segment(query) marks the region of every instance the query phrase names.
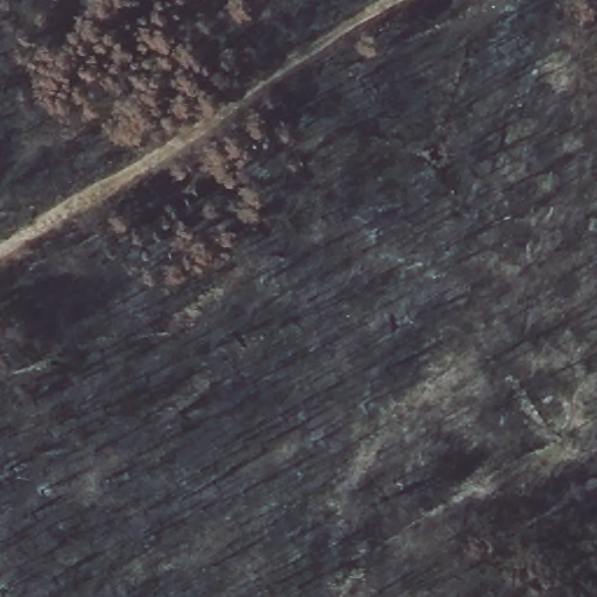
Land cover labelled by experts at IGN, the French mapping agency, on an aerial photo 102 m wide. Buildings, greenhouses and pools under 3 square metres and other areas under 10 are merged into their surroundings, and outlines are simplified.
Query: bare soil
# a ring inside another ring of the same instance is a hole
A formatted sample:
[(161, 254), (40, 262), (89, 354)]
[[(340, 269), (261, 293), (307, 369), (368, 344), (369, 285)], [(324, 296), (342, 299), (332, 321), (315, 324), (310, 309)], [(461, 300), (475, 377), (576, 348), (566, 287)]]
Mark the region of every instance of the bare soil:
[(131, 166), (138, 159), (131, 147), (112, 142), (103, 135), (100, 126), (93, 126), (91, 121), (82, 126), (56, 126), (49, 112), (44, 117), (26, 117), (19, 107), (12, 105), (7, 89), (0, 79), (0, 243), (12, 238), (23, 226), (35, 224), (40, 215), (58, 205), (61, 201), (70, 198), (72, 194), (86, 189), (89, 184), (103, 177), (114, 175), (117, 170)]
[(271, 233), (257, 243), (252, 257), (210, 266), (201, 275), (184, 280), (152, 282), (126, 273), (112, 259), (112, 243), (107, 236), (107, 229), (112, 226), (110, 217), (121, 212), (128, 203), (142, 201), (156, 187), (173, 189), (177, 180), (166, 168), (159, 168), (140, 175), (135, 182), (121, 187), (117, 194), (103, 198), (98, 205), (70, 215), (61, 226), (49, 229), (47, 233), (23, 243), (9, 257), (0, 259), (0, 597), (597, 597), (597, 0), (406, 0), (401, 5), (389, 7), (380, 16), (366, 21), (364, 26), (354, 28), (352, 33), (343, 35), (315, 61), (299, 65), (282, 79), (296, 98), (310, 105), (312, 128), (308, 135), (308, 163), (303, 166), (303, 170), (280, 175), (271, 184), (273, 191), (264, 205), (264, 217), (268, 219), (266, 226), (271, 229)]
[(315, 40), (338, 28), (343, 21), (354, 19), (375, 0), (289, 0), (292, 9), (285, 14), (287, 56), (292, 51), (301, 54), (310, 49)]

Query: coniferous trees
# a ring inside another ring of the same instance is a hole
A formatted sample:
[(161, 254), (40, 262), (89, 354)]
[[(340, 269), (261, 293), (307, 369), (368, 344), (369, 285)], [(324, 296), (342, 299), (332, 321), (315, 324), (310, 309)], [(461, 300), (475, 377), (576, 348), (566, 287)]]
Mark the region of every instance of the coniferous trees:
[(271, 233), (271, 229), (266, 226), (268, 219), (264, 217), (264, 205), (273, 191), (271, 184), (280, 175), (303, 170), (303, 166), (308, 163), (308, 135), (312, 128), (310, 105), (296, 98), (282, 79), (259, 91), (250, 105), (240, 107), (229, 119), (224, 119), (215, 107), (243, 98), (257, 79), (264, 79), (266, 75), (275, 72), (287, 61), (287, 56), (285, 14), (292, 9), (289, 0), (0, 0), (0, 79), (7, 89), (12, 105), (19, 107), (26, 117), (44, 117), (49, 112), (56, 126), (82, 126), (91, 121), (93, 126), (100, 126), (103, 135), (112, 142), (131, 147), (138, 159), (177, 138), (187, 149), (163, 161), (159, 168), (166, 168), (177, 180), (173, 189), (156, 187), (142, 201), (128, 203), (121, 212), (110, 217), (112, 226), (107, 229), (107, 236), (112, 243), (112, 259), (126, 273), (152, 282), (184, 280), (201, 275), (210, 266), (252, 257), (257, 243)]

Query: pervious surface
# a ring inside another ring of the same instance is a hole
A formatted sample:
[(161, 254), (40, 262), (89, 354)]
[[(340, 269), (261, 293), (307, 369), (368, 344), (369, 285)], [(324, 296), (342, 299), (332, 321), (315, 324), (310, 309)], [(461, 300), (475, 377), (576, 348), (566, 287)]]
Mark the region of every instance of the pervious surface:
[(58, 205), (40, 215), (35, 224), (23, 226), (12, 238), (0, 243), (0, 259), (9, 257), (23, 243), (47, 233), (49, 229), (61, 226), (70, 215), (98, 205), (103, 198), (117, 194), (121, 187), (135, 182), (140, 175), (159, 168), (163, 161), (187, 149), (177, 138), (138, 159), (131, 166), (117, 170), (114, 175), (103, 177), (89, 184), (86, 189), (72, 194), (70, 198), (61, 201)]
[(364, 26), (366, 21), (380, 16), (389, 7), (401, 5), (406, 0), (375, 0), (354, 19), (343, 21), (338, 28), (315, 40), (310, 49), (301, 54), (292, 51), (287, 56), (287, 61), (275, 72), (266, 75), (264, 79), (257, 79), (243, 98), (215, 107), (224, 119), (229, 119), (240, 107), (250, 105), (259, 91), (282, 79), (299, 65), (315, 61), (343, 35), (352, 33), (354, 28)]

